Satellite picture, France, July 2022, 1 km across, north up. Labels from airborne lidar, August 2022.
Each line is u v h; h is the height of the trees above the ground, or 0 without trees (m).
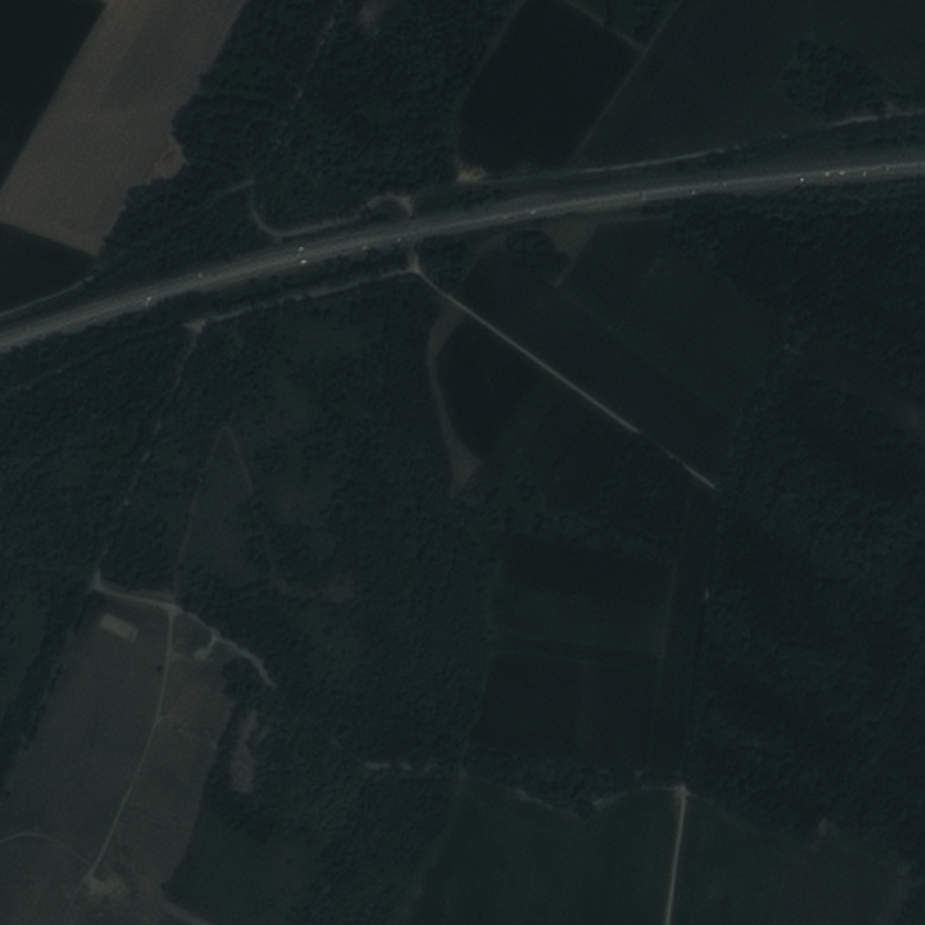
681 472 15
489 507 9
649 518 16
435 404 13
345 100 13
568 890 0
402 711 13
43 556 13
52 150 0
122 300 0
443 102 8
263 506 9
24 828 0
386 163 11
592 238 0
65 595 11
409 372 15
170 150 0
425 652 13
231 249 17
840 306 23
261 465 6
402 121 9
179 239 24
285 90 25
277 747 17
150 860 0
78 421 21
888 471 21
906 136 13
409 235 0
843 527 26
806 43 14
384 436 8
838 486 30
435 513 13
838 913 0
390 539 11
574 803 9
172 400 6
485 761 24
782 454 26
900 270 28
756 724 32
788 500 30
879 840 20
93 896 0
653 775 11
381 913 8
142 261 20
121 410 14
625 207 0
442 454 12
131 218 20
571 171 0
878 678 24
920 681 27
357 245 0
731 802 23
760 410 17
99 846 0
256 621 12
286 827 9
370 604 14
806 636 24
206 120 19
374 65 21
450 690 16
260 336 12
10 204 0
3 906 0
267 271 0
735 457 10
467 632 14
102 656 0
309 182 11
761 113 0
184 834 0
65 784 0
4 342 0
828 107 13
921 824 29
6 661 11
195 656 0
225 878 0
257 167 0
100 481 11
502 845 0
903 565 22
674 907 0
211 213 19
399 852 10
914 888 8
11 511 13
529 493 11
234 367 11
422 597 13
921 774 20
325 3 19
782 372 17
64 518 9
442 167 20
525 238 20
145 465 12
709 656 17
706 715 24
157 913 0
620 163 0
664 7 9
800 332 17
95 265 0
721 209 15
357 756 14
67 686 0
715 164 21
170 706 0
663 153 0
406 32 14
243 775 0
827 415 19
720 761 14
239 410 6
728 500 24
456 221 0
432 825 13
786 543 27
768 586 17
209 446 7
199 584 6
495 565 12
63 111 0
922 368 16
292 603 10
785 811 19
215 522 0
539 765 25
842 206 15
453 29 17
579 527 19
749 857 0
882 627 29
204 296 6
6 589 12
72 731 0
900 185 8
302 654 11
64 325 0
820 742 20
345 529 11
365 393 7
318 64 13
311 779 11
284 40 12
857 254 20
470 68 19
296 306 15
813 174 0
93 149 0
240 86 7
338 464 9
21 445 18
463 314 0
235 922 0
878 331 18
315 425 7
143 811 0
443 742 22
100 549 15
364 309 13
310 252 0
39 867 0
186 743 0
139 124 0
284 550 8
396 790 12
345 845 8
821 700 35
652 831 0
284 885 0
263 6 7
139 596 0
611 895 0
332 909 8
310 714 13
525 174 0
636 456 14
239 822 10
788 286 22
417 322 16
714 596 12
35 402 14
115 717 0
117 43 0
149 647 0
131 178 0
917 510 29
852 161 0
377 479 11
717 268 17
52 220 0
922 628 24
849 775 22
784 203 20
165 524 12
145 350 19
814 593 30
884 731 28
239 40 16
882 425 24
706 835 0
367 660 9
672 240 14
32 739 10
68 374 16
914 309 26
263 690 14
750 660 24
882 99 8
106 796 0
